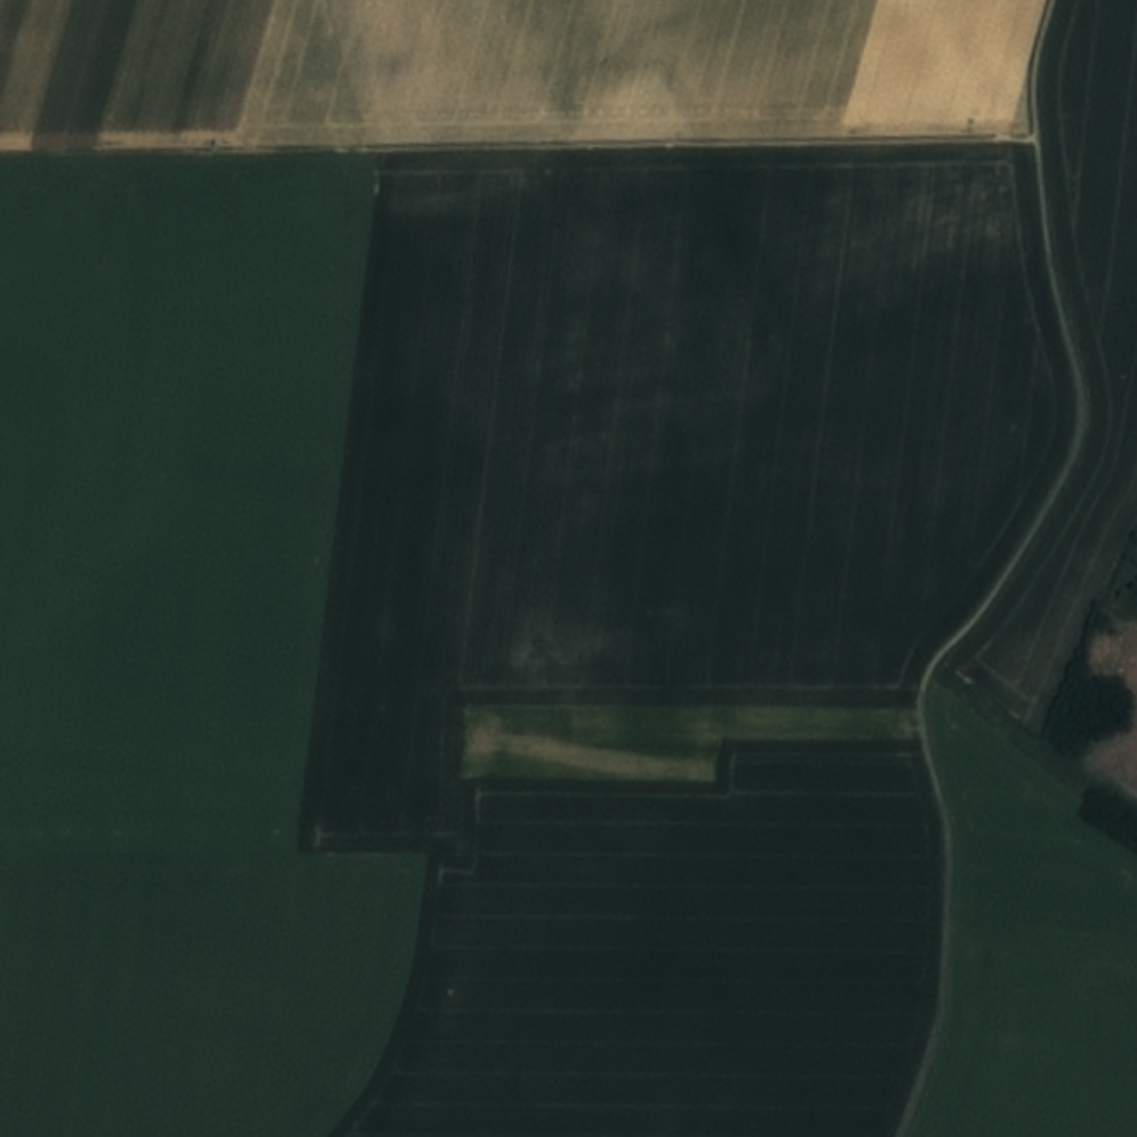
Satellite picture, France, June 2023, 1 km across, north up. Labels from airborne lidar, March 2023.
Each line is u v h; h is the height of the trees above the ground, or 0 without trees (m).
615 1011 0
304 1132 0
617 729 0
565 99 0
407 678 0
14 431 0
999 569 0
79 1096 0
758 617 0
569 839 0
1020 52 0
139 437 0
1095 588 0
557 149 0
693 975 0
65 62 0
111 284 0
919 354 0
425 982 0
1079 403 0
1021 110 0
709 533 0
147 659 0
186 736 0
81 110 0
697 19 0
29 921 0
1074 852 0
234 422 0
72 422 0
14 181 0
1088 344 0
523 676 0
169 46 0
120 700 0
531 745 0
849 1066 0
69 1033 0
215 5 0
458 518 0
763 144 0
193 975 0
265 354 0
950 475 0
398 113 0
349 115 0
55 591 0
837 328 0
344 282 0
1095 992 0
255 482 0
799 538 0
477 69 0
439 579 0
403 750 0
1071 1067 0
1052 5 0
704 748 0
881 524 0
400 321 0
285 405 0
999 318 0
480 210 0
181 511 0
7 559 0
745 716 0
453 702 0
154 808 0
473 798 0
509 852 0
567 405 0
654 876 0
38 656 0
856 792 0
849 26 0
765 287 0
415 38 0
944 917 0
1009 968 0
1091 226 0
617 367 0
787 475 0
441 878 0
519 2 0
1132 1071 0
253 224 0
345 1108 0
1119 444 0
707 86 0
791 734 0
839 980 0
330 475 0
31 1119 0
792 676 0
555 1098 0
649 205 0
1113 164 0
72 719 0
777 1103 0
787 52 0
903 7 0
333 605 0
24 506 0
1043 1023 0
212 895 0
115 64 0
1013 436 0
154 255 0
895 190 0
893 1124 0
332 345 0
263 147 0
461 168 0
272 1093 0
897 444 0
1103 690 18
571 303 0
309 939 0
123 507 0
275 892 0
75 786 0
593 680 0
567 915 0
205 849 0
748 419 0
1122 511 0
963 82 0
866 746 0
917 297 0
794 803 0
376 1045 0
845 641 0
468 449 0
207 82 0
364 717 0
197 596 0
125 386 0
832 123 0
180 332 0
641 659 0
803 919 0
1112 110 0
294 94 0
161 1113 0
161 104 0
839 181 0
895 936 0
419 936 0
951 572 0
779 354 0
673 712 0
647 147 0
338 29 0
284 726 0
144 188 0
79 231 0
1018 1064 0
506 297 0
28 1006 0
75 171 0
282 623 0
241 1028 0
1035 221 0
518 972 0
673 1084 0
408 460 0
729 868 0
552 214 0
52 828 0
